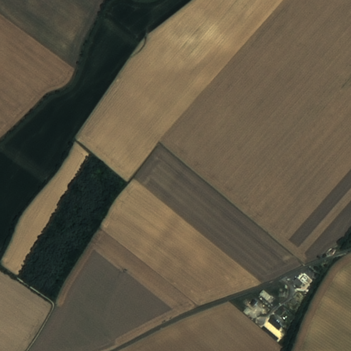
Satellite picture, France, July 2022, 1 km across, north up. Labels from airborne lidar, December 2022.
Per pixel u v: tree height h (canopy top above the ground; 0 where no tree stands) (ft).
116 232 0
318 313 0
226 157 0
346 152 0
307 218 0
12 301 0
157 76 0
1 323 0
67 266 41
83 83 0
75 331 0
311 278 0
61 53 0
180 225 0
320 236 0
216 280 0
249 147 0
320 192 0
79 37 0
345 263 0
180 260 0
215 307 0
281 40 0
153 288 0
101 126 0
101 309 0
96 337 0
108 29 0
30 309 0
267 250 0
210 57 0
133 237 0
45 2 0
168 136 0
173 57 0
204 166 0
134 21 0
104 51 0
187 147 0
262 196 0
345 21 0
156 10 0
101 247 0
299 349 0
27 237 0
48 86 0
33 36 0
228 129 0
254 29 0
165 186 0
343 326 0
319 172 0
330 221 0
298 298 0
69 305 0
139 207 0
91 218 45
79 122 0
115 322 0
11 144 0
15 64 0
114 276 0
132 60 0
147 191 0
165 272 0
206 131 0
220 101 0
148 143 0
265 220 0
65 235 68
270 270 0
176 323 0
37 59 0
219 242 0
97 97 0
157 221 0
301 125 0
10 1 0
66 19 0
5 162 0
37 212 0
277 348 0
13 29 0
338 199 0
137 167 0
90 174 59
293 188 0
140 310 0
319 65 0
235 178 0
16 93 0
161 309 0
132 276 0
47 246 54
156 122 0
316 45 0
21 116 0
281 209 0
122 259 0
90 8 0
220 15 0
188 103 0
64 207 47
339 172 0
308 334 0
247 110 0
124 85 0
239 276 0
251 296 0
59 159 0
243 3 0
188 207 0
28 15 0
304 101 0
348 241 20
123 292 0
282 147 0
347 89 0
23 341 0
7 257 0
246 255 0
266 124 0
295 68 0
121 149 0
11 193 0
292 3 0
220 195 0
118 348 0
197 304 0
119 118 0
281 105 0
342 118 0
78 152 0
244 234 0
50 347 0
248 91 0
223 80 0
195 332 0
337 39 0
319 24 0
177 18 0
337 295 0
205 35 0
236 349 0
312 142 0
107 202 58
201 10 0
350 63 0
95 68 0
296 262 0
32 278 57
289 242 0
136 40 0
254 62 0
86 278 0
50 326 0
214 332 0
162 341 0
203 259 0
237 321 0
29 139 0
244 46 0
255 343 0
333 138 0
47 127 0
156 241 0
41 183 0
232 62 0
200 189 0
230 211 0
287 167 0
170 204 0
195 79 0
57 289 52
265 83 0
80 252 31
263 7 0
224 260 0
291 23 0
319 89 0
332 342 0
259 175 0
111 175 48
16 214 0
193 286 0
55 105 0
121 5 0
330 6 0
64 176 0
